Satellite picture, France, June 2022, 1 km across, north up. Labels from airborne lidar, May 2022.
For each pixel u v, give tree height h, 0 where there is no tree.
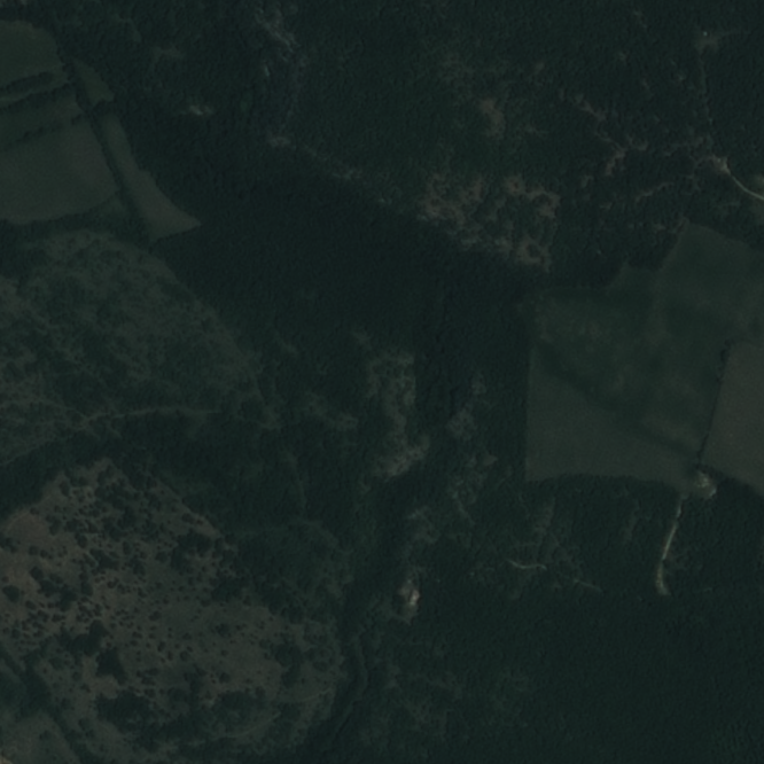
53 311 7
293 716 10
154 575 0
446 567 11
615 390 0
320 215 18
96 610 6
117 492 9
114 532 10
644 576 10
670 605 12
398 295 12
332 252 16
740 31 9
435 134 9
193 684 9
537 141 9
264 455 10
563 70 12
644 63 12
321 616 7
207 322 7
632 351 0
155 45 11
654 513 7
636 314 0
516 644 11
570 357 0
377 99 11
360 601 11
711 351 0
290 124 6
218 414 6
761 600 7
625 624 11
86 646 14
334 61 9
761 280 0
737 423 0
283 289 17
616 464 0
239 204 19
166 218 0
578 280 12
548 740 10
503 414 10
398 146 8
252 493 10
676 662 14
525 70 6
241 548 9
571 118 6
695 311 0
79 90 13
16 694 6
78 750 8
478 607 10
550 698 10
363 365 9
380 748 8
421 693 7
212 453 12
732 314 0
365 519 9
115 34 10
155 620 7
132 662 0
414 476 15
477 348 10
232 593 10
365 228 19
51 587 8
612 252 9
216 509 10
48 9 10
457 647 10
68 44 10
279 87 6
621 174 11
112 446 13
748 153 10
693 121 9
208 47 12
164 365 6
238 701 7
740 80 11
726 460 0
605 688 9
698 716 11
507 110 7
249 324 6
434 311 15
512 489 7
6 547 8
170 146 21
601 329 0
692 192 11
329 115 12
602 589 7
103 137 8
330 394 7
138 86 9
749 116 9
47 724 0
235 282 13
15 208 0
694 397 0
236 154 14
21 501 10
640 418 0
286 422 9
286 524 7
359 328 8
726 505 9
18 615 0
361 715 8
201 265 15
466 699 6
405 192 7
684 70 9
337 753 12
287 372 10
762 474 0
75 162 0
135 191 0
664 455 0
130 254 0
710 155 10
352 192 8
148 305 0
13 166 0
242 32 16
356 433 8
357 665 11
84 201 0
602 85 11
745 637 7
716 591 9
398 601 9
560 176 9
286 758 11
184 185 18
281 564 7
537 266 6
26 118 0
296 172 10
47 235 9
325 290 13
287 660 8
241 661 0
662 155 9
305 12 9
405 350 9
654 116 10
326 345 13
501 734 7
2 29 0
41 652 9
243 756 8
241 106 19
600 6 8
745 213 8
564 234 11
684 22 8
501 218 10
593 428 0
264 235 13
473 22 9
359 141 8
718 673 11
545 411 0
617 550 9
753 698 10
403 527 9
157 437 12
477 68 8
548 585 11
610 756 9
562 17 10
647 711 8
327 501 12
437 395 19
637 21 11
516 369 11
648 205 10
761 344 0
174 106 11
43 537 0
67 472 7
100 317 8
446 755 10
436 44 9
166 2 12
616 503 9
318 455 11
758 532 10
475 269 14
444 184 6
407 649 8
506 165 10
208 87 13
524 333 13
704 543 9
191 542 10
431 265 16
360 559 8
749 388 0
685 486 0
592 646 8
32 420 7
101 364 6
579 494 9
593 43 10
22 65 0
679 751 11
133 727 8
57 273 0
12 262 8
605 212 10
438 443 9
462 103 6
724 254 0
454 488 5
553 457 0
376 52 11
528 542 6
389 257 19
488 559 7
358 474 7
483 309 13
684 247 0
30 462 7
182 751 9
